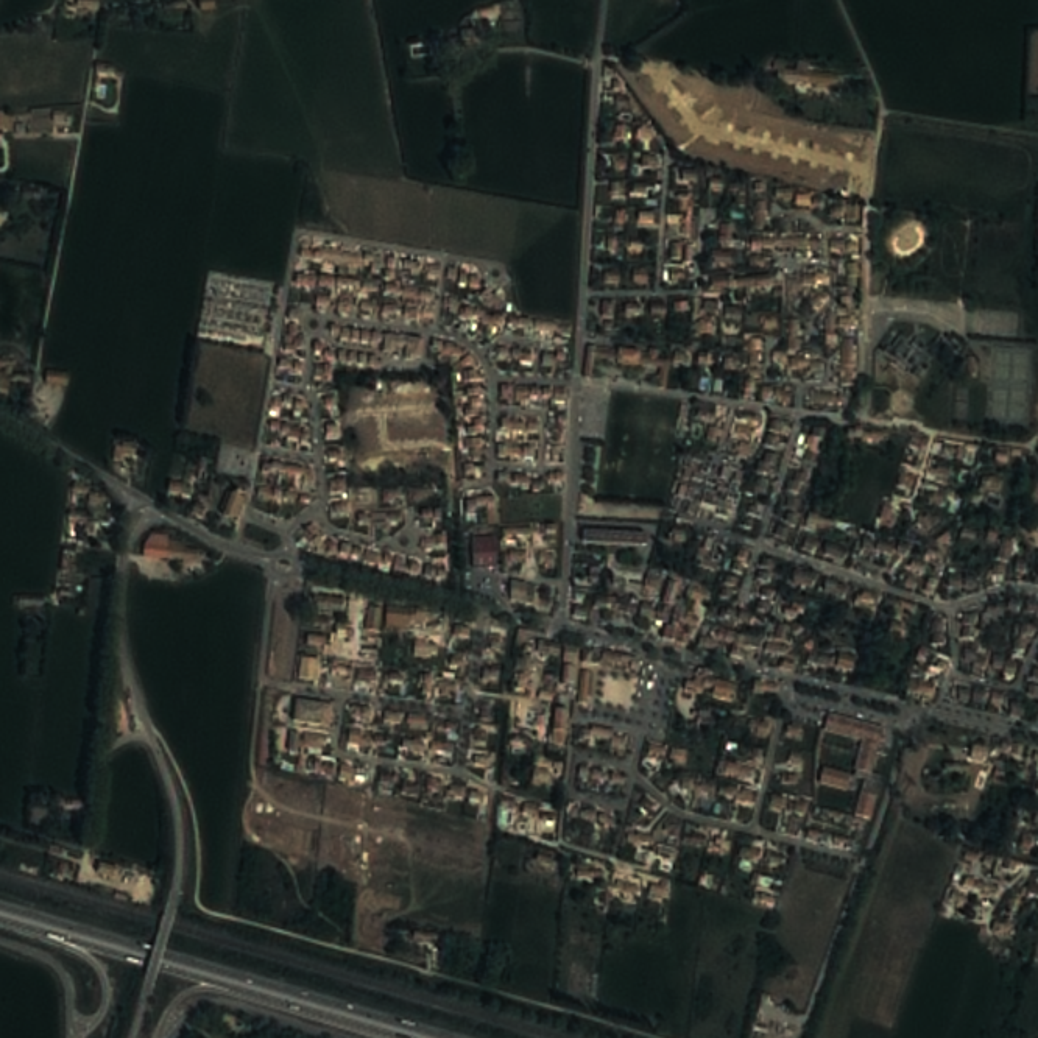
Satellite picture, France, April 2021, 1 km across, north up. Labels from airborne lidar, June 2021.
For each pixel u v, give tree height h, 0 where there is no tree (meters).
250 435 0
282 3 0
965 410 0
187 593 0
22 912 0
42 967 0
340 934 0
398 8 0
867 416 0
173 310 0
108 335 0
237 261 0
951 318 0
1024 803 14
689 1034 0
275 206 0
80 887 7
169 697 0
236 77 0
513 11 0
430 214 0
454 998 18
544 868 7
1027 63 6
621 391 0
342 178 0
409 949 14
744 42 0
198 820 0
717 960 0
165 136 0
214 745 0
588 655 0
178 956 0
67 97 0
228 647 0
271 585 0
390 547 6
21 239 11
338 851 0
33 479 0
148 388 0
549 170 0
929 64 0
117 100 0
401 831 0
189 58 0
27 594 0
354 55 0
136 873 0
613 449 0
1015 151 0
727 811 0
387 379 9
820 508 12
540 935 0
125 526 22
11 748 0
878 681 18
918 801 0
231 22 0
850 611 5
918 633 14
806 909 0
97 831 27
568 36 0
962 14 0
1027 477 15
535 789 8
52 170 0
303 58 0
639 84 0
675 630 0
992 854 7
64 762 0
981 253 0
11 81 0
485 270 0
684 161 14
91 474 19
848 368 0
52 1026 0
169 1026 0
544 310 0
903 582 9
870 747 0
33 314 0
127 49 0
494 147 0
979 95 0
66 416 0
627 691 0
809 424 7
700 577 11
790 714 9
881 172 0
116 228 0
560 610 0
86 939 0
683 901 0
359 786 0
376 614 0
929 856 0
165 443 0
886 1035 0
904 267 14
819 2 0
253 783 0
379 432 0
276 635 0
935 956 0
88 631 0
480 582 0
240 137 0
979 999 0
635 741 0
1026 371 0
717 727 7
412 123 0
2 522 0
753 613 5
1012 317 0
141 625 0
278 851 0
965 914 12
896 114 0
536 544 0
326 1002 0
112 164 0
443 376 7
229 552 0
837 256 6
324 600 0
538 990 0
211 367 0
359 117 0
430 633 0
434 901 0
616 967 0
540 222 0
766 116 0
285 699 0
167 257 0
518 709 0
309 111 0
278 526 0
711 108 0
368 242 0
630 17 0
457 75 34
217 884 0
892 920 0
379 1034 0
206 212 0
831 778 0
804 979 0
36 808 6
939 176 0
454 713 9
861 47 0
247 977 0
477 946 13
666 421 0
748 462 6
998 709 7
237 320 0
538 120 0
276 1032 15
